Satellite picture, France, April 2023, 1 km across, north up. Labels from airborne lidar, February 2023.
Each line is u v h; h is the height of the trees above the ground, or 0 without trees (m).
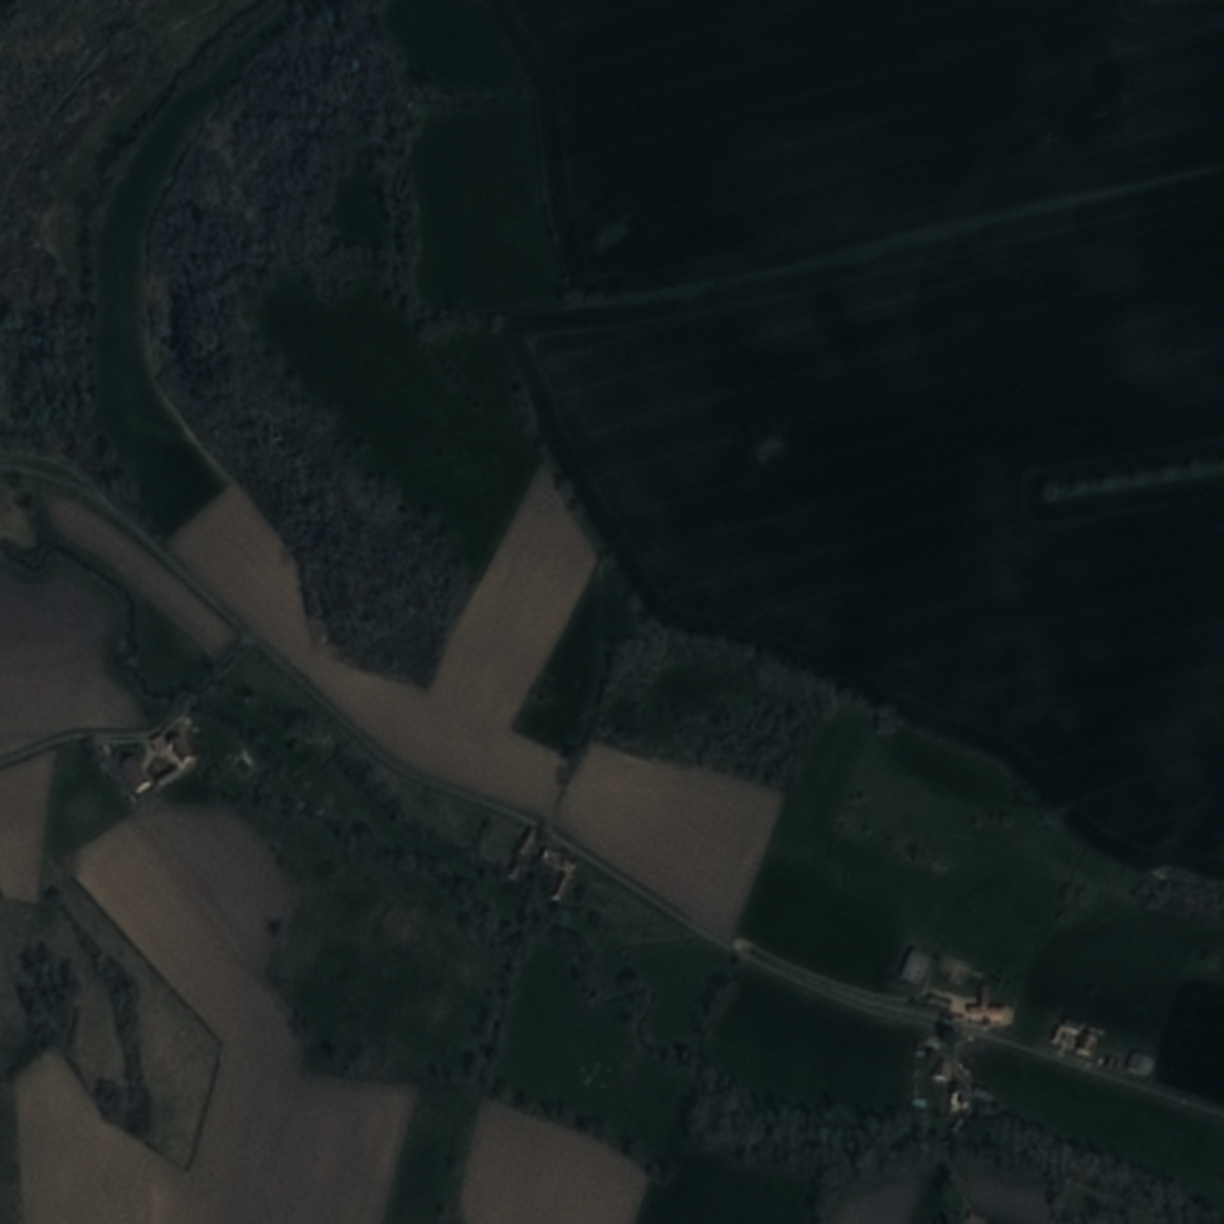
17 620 0
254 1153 0
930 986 0
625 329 0
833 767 0
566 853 8
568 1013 0
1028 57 0
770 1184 0
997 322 0
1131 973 0
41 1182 0
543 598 0
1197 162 0
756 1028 0
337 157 14
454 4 0
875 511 0
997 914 0
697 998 0
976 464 0
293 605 0
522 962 23
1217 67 0
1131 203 0
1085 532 0
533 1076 0
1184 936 0
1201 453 0
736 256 0
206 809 0
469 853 6
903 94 0
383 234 0
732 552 0
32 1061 0
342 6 13
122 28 9
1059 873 0
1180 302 0
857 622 0
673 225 0
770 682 18
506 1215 0
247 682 0
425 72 0
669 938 0
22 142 12
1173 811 0
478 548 0
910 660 0
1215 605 0
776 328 0
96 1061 0
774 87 0
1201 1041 0
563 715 0
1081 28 0
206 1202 0
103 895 0
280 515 16
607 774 0
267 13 8
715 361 0
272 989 0
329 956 0
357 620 20
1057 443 0
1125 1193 16
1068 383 0
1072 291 0
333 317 0
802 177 0
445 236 0
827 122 0
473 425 0
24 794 0
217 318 12
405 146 13
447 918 0
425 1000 0
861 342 0
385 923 0
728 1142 18
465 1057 0
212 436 8
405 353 0
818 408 0
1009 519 0
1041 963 0
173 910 0
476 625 0
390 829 0
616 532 0
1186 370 0
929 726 0
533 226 0
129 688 0
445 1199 0
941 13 0
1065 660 0
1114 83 0
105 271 0
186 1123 0
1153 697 0
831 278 0
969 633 0
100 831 0
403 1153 0
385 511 18
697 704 0
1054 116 0
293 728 19
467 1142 0
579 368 0
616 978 0
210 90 0
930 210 0
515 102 0
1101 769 0
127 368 0
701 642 16
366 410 0
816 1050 0
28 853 0
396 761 0
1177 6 0
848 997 0
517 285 0
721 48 0
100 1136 0
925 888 0
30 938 0
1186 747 0
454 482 0
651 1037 0
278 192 11
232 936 0
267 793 13
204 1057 0
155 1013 0
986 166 0
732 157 0
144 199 0
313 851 0
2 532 0
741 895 0
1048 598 0
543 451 9
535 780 0
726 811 0
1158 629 0
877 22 0
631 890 0
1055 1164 31
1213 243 0
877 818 0
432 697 0
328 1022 0
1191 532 0
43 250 6
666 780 0
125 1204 0
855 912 0
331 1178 0
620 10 0
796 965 0
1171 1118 0
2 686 0
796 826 0
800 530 0
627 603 10
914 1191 0
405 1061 0
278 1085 0
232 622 0
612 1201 0
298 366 0
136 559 0
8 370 7
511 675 0
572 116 0
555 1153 0
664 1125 0
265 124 8
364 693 0
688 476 0
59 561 0
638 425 0
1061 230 0
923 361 0
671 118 0
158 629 0
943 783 0
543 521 0
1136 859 0
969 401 0
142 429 0
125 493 16
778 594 0
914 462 0
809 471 0
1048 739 0
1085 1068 0
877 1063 0
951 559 0
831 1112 16
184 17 0
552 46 0
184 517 0
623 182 0
